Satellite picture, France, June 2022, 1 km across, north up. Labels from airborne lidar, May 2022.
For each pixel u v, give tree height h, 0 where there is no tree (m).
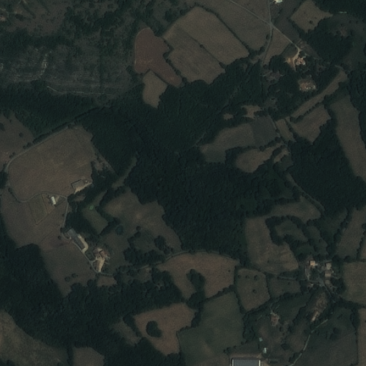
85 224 23
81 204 14
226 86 10
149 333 15
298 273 9
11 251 16
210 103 14
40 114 13
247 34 0
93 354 0
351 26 0
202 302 8
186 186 16
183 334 0
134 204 0
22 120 9
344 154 11
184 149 15
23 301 26
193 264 0
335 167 18
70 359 14
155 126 13
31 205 0
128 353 9
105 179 7
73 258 0
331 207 18
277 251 0
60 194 0
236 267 11
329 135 6
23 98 16
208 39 0
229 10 0
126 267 15
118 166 11
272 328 0
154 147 18
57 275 0
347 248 0
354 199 15
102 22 10
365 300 0
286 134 0
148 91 0
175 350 0
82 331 15
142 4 8
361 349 0
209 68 0
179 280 0
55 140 0
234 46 0
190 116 7
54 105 18
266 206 18
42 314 27
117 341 20
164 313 0
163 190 7
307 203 0
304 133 0
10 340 0
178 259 0
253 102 15
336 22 0
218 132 14
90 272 0
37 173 0
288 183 19
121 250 0
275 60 14
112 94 0
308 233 14
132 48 5
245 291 0
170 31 0
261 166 15
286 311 0
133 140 27
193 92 12
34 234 0
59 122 10
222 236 18
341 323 0
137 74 11
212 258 0
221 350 0
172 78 0
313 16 0
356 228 0
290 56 0
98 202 0
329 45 16
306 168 16
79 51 9
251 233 0
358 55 0
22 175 0
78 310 16
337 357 0
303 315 11
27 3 0
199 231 22
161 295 23
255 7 0
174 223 21
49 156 0
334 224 0
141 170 19
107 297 9
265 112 10
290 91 13
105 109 16
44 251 0
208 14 0
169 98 12
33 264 14
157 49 0
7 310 13
